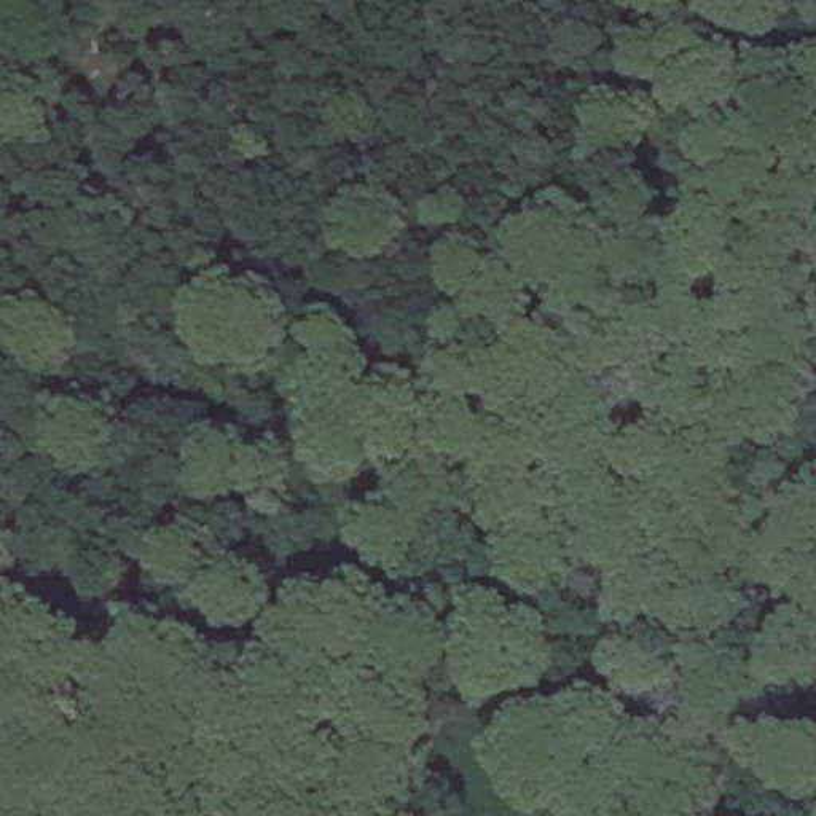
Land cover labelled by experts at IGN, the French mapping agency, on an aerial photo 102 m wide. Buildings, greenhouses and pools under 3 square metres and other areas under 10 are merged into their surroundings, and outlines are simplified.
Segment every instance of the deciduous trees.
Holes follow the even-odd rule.
[[[22,564],[29,574],[57,571],[80,599],[89,599],[118,583],[118,564],[128,558],[121,542],[128,532],[163,529],[175,516],[188,516],[198,526],[210,526],[214,539],[236,542],[252,539],[255,523],[265,523],[268,513],[277,513],[277,507],[290,507],[293,494],[303,488],[309,472],[293,453],[287,402],[277,392],[274,379],[265,376],[271,370],[268,347],[281,344],[281,338],[293,338],[293,325],[306,319],[341,319],[347,328],[360,325],[357,312],[341,296],[312,290],[300,268],[306,261],[322,261],[328,268],[341,255],[379,255],[386,242],[402,236],[402,230],[411,236],[414,245],[443,242],[449,252],[462,249],[475,255],[491,255],[494,245],[488,245],[488,239],[510,214],[523,210],[516,198],[520,191],[536,198],[545,188],[561,188],[574,201],[587,201],[590,194],[580,185],[567,182],[564,175],[548,175],[551,153],[542,143],[564,140],[577,131],[577,105],[596,83],[596,73],[615,70],[615,41],[609,35],[609,26],[638,26],[653,19],[653,13],[618,6],[615,0],[0,0],[0,551],[6,551],[13,564]]]
[[[383,354],[379,344],[373,344],[363,335],[354,344],[363,354],[363,376],[373,376],[376,363],[408,367],[408,354]]]

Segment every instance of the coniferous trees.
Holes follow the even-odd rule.
[[[462,249],[449,252],[443,242],[414,245],[411,236],[402,230],[402,236],[386,242],[379,255],[341,255],[328,268],[322,261],[306,261],[300,268],[312,290],[341,296],[357,312],[360,325],[347,328],[341,319],[306,319],[293,325],[293,338],[281,338],[281,344],[268,347],[271,370],[265,376],[274,379],[277,392],[287,402],[293,453],[309,472],[303,488],[293,494],[290,507],[277,507],[277,513],[268,513],[265,523],[255,523],[252,539],[236,542],[214,539],[210,526],[198,526],[188,516],[175,516],[163,529],[128,532],[121,542],[128,558],[118,564],[118,583],[89,599],[80,599],[57,571],[29,574],[22,564],[13,564],[6,551],[0,551],[0,816],[816,816],[816,0],[615,0],[618,6],[653,13],[653,19],[638,26],[609,26],[609,35],[615,41],[615,70],[596,73],[596,83],[577,105],[577,131],[564,140],[542,143],[551,153],[548,175],[564,175],[567,182],[580,185],[590,194],[587,201],[574,201],[561,188],[545,188],[536,198],[520,191],[516,198],[523,210],[510,214],[488,239],[488,245],[494,245],[491,255],[475,255]],[[408,367],[376,363],[373,376],[363,376],[363,354],[354,344],[363,335],[373,344],[379,344],[383,354],[408,354]]]

